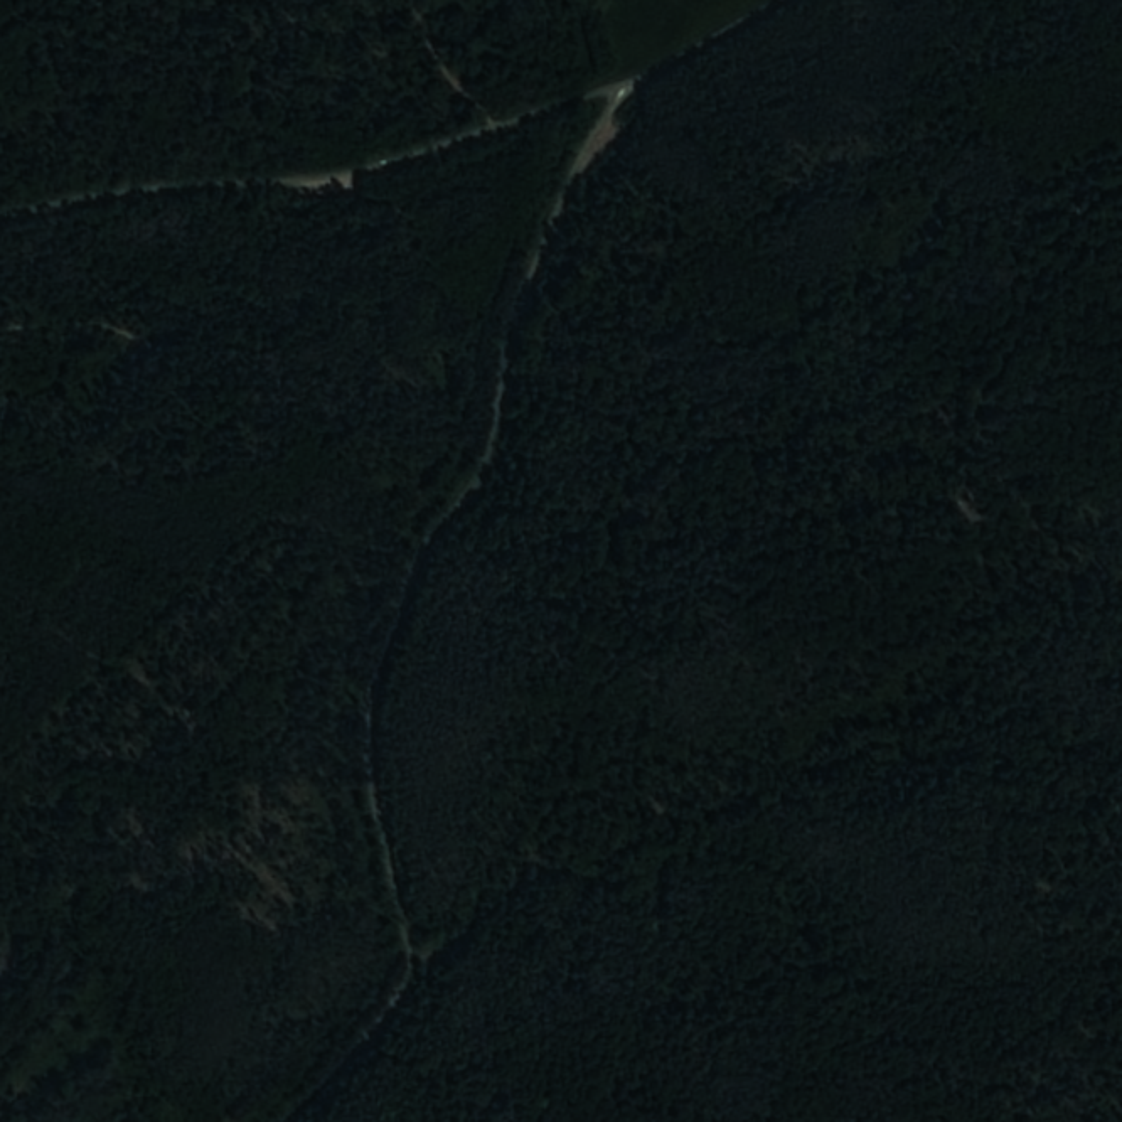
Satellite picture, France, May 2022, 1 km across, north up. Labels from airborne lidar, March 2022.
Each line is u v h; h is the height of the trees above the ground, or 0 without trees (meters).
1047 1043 14
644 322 25
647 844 31
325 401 26
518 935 18
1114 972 24
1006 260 24
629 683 17
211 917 23
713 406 27
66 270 29
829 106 22
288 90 29
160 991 16
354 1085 16
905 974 22
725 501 31
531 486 25
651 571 29
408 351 26
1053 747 28
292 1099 17
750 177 24
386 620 33
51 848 28
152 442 23
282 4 25
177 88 13
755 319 12
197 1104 13
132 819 25
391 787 20
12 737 16
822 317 23
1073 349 23
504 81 15
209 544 18
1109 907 22
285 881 25
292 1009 22
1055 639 24
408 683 25
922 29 23
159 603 14
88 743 26
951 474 18
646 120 21
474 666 17
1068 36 25
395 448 24
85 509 17
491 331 26
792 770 31
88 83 26
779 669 20
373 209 27
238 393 23
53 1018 27
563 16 15
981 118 17
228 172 15
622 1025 25
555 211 0
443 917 19
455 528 9
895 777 9
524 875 27
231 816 17
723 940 23
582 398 27
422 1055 19
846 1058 16
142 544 18
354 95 27
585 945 24
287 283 25
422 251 17
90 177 23
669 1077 16
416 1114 14
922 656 33
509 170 15
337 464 18
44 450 28
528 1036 24
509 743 19
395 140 19
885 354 24
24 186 24
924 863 21
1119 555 26
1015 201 23
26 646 18
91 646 22
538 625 22
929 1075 23
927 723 34
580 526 16
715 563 30
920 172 16
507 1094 27
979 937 14
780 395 26
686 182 23
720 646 19
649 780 26
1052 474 18
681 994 26
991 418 23
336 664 29
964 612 33
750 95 28
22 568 17
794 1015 20
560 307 25
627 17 0
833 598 19
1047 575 34
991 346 25
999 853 17
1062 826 22
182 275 21
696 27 0
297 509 19
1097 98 15
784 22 21
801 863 22
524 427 25
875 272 7
